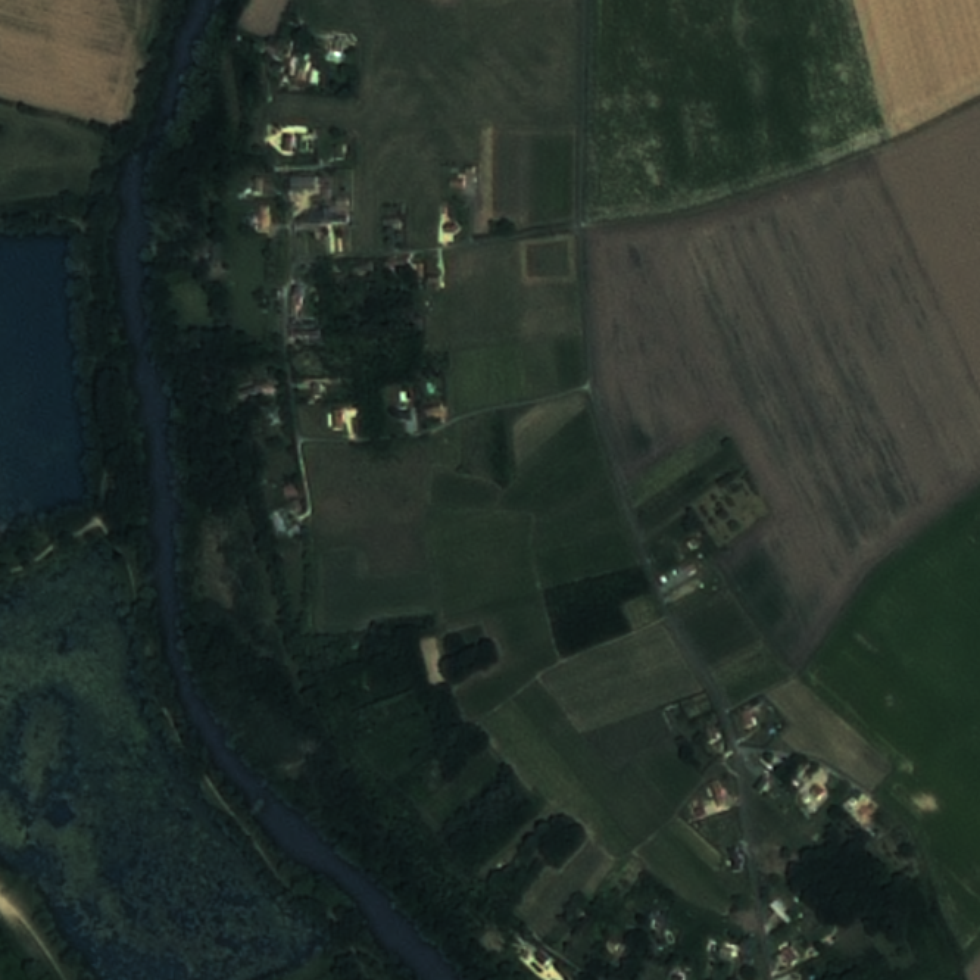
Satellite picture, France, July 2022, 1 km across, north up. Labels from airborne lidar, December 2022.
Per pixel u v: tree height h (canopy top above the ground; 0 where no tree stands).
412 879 18
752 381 0
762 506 0
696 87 0
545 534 0
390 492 0
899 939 21
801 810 0
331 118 0
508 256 0
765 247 0
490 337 0
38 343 0
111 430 30
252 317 0
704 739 7
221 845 0
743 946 13
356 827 8
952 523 0
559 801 0
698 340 0
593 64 0
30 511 0
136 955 0
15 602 0
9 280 0
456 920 17
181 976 0
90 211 11
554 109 0
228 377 17
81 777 0
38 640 0
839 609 0
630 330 0
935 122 0
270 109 0
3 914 0
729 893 0
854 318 0
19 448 0
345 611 0
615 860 0
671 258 0
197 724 0
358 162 0
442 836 7
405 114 0
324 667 7
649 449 0
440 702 13
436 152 0
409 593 0
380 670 13
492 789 7
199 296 0
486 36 0
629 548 0
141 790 0
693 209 0
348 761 6
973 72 0
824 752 0
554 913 0
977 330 0
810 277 0
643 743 0
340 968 11
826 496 0
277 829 0
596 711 0
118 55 0
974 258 0
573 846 19
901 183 0
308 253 0
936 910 8
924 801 0
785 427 0
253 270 0
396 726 6
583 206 0
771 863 0
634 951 14
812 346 0
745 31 0
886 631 0
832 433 0
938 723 0
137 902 0
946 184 0
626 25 0
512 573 0
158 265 11
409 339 7
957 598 0
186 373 25
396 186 0
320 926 25
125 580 0
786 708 0
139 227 0
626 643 0
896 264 0
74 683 0
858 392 0
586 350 0
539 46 0
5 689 0
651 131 0
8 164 0
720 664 0
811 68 0
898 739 0
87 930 0
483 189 0
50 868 0
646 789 0
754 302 0
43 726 0
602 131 0
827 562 0
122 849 0
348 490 0
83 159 0
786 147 0
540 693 0
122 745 0
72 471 0
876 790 0
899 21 0
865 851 19
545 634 0
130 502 35
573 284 0
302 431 0
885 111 0
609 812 0
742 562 0
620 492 0
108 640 0
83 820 0
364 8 0
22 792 0
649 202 0
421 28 0
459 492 0
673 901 11
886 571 0
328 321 8
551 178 0
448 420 0
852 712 0
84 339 28
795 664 0
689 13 0
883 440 0
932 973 0
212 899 0
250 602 6
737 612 0
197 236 20
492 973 6
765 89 0
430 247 0
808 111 0
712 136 0
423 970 0
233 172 10
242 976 0
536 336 0
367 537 0
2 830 0
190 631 12
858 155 0
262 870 22
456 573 0
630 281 0
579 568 0
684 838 0
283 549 0
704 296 0
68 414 0
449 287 0
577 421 0
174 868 0
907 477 0
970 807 0
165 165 30
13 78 0
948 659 0
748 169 0
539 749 0
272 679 6
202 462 23
